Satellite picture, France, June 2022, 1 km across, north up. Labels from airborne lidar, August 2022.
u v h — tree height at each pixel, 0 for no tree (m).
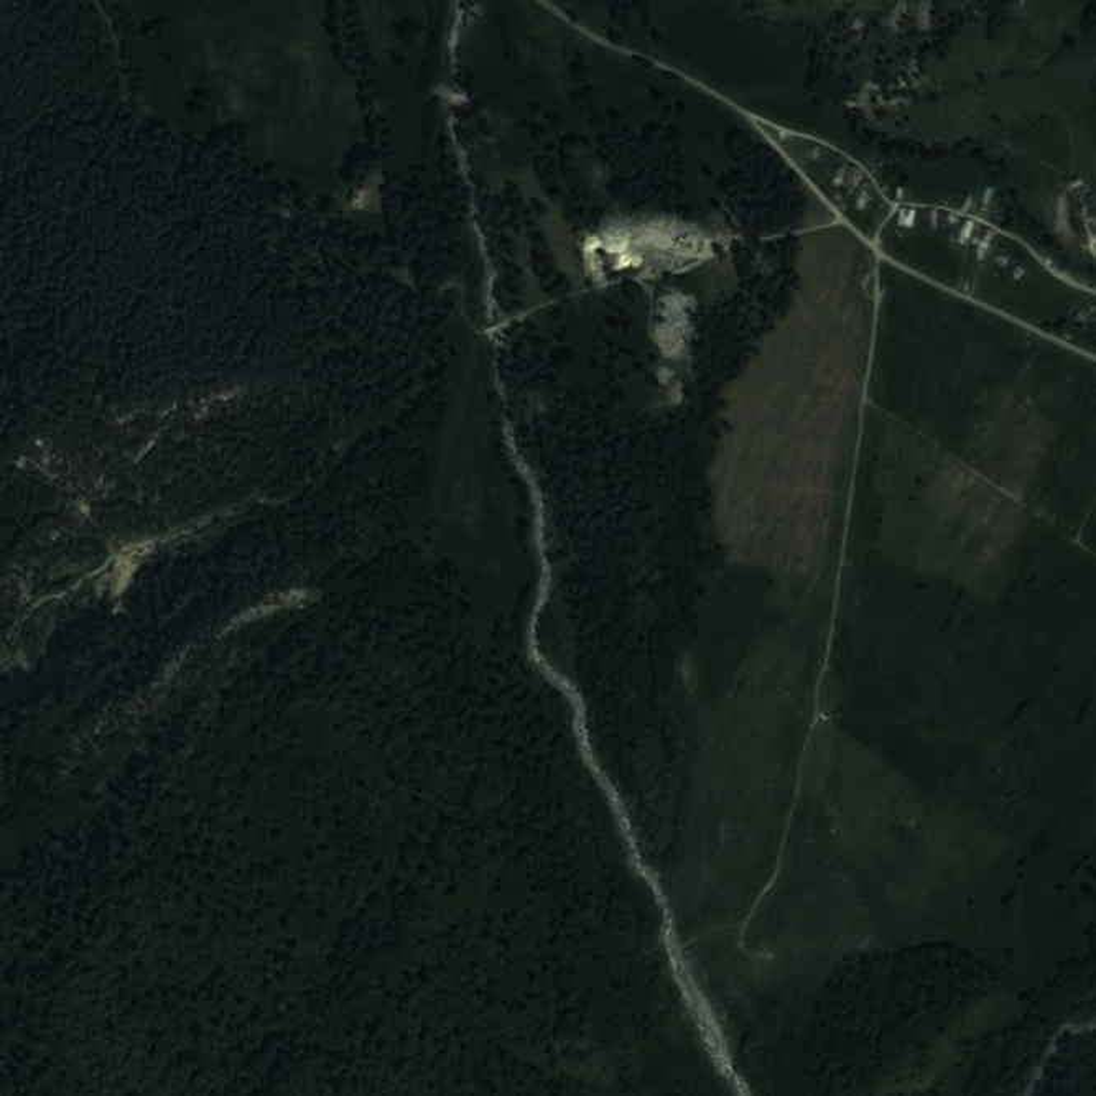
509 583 0
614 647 7
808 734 0
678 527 11
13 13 18
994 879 0
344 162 0
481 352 0
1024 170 0
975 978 17
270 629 7
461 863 7
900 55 10
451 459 0
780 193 25
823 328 0
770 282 9
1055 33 0
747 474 0
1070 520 0
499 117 0
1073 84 0
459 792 6
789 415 0
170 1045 8
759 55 0
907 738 0
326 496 18
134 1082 8
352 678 14
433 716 7
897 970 6
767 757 0
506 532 0
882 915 0
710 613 0
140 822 7
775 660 0
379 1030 23
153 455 21
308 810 12
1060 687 0
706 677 0
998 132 0
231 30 0
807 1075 6
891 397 0
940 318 0
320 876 9
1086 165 0
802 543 0
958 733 0
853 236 0
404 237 30
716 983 0
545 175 13
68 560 10
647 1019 14
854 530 0
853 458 0
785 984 0
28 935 10
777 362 0
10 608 10
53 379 27
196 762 11
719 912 0
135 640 9
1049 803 0
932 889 0
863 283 0
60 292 22
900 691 0
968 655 0
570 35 0
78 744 8
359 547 12
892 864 0
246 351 8
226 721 10
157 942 7
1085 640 0
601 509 9
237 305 23
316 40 0
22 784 10
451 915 0
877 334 0
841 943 0
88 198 23
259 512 15
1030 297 0
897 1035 11
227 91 0
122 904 6
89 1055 7
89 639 14
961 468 0
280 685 8
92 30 25
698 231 0
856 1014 7
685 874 0
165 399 10
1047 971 0
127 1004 18
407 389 27
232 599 16
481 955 8
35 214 26
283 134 0
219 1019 8
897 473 0
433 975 9
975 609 0
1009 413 0
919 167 0
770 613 0
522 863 12
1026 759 0
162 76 0
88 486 9
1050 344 0
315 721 0
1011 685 0
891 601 0
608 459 8
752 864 0
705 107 0
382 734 7
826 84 26
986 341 0
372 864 7
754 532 0
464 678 8
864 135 9
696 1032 0
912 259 0
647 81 0
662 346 0
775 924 0
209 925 6
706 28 0
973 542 0
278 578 7
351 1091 12
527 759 15
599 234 0
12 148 26
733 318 12
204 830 9
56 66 27
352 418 18
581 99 22
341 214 11
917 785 0
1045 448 0
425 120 7
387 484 22
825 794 0
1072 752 0
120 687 25
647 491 11
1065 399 0
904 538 0
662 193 28
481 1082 12
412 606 13
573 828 13
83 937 9
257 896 10
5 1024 6
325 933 7
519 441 10
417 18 0
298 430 24
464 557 0
